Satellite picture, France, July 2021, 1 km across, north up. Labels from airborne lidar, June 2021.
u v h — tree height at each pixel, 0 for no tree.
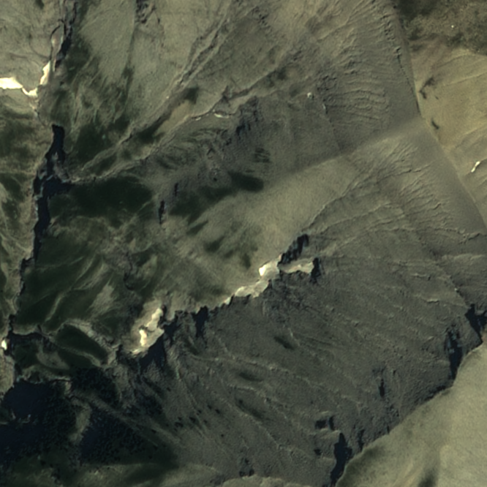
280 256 0
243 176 0
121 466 0
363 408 0
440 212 0
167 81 0
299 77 0
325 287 0
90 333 0
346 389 0
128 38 0
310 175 0
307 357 0
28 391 0
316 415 0
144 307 0
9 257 0
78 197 0
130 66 0
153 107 0
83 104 0
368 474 0
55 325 0
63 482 0
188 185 0
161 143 0
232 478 0
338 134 0
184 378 0
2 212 0
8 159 0
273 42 0
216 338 0
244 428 0
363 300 0
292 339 0
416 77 0
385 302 0
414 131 0
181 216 0
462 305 0
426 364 0
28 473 0
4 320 0
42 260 0
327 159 0
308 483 0
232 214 0
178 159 0
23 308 0
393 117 0
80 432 0
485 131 0
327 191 0
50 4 0
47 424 14
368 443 0
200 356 0
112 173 0
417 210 0
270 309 0
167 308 0
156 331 0
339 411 0
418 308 0
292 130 0
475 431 0
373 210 0
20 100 0
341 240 0
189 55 0
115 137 0
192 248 0
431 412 0
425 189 0
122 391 0
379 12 0
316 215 0
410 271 0
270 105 0
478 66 0
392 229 0
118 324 0
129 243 0
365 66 0
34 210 0
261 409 0
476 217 0
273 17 0
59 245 0
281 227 0
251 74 0
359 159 0
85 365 0
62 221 0
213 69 0
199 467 0
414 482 0
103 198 0
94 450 15
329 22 0
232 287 0
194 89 0
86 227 0
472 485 0
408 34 0
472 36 0
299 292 0
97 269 0
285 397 0
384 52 0
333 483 0
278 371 0
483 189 0
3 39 0
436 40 0
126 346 0
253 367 0
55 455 0
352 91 0
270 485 0
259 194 0
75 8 0
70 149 0
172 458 0
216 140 0
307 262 0
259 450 0
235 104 0
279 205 0
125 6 0
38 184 0
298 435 0
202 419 0
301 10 0
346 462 0
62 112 0
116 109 0
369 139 0
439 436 0
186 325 0
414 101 0
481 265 0
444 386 0
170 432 0
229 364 0
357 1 0
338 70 0
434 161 0
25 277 0
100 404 0
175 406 0
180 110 0
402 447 0
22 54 0
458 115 0
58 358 0
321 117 0
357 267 0
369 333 0
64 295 0
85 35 0
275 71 0
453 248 0
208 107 0
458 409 0
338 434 0
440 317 0
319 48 0
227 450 0
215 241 0
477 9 0
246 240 0
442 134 0
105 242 0
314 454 0
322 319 0
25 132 0
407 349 0
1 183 0
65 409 13
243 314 0
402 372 0
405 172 0
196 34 0
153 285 0
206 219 0
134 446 15
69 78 0
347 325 0
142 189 0
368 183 0
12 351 0
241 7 0
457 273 0
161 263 0
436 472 0
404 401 0
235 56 0
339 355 0
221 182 0
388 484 0
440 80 0
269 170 0
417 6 0
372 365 0
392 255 0
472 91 0
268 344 0
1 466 0
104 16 0
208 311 0
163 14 0
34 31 0
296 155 0
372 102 0
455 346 0
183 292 0
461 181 0
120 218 0
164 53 0
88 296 0
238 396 0
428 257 0
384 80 0
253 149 0
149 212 0
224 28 0
